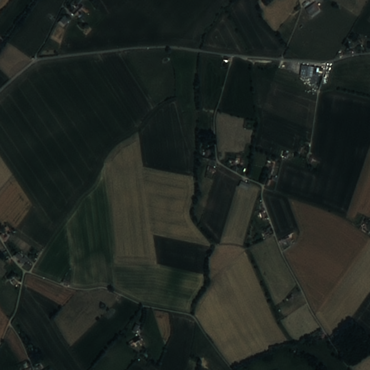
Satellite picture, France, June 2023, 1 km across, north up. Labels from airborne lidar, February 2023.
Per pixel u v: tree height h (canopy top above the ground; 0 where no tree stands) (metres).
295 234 0
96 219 0
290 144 0
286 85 0
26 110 0
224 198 0
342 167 0
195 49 0
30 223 0
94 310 0
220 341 0
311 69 0
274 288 0
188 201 0
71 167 0
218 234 0
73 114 0
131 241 0
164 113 0
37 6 0
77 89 0
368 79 0
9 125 0
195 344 0
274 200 0
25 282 0
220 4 0
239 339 0
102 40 0
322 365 14
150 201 0
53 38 0
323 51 0
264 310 0
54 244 0
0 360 0
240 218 0
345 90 8
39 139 0
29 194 0
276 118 0
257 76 0
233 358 0
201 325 0
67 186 0
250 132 0
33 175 0
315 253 0
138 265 0
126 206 0
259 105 0
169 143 0
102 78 0
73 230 0
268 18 0
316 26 0
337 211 0
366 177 0
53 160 0
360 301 0
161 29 0
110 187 0
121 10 0
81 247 0
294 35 0
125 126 0
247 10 0
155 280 0
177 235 0
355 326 21
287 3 0
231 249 0
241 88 0
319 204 0
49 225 0
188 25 0
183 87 0
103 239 0
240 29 0
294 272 0
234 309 0
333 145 0
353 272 0
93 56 0
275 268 0
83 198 0
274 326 0
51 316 13
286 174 0
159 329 0
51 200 0
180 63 0
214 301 0
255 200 0
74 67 0
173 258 0
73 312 0
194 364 0
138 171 0
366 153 0
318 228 0
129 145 0
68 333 0
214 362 0
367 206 0
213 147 16
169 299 0
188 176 0
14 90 0
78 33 0
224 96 0
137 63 0
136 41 0
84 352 0
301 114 0
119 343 0
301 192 0
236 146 0
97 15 0
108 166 0
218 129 0
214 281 0
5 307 0
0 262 0
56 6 0
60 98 0
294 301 0
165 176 0
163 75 0
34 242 0
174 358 0
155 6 0
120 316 0
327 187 0
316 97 0
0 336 0
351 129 0
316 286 0
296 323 0
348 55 0
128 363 0
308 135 0
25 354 0
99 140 0
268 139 0
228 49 0
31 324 0
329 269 0
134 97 0
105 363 0
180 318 0
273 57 0
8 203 0
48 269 0
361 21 0
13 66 0
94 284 0
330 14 0
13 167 0
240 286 0
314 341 6
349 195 0
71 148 0
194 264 0
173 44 0
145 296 0
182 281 0
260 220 0
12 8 0
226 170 0
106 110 0
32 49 0
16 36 0
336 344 16
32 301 0
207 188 0
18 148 0
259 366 0
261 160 0
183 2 0
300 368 0
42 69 0
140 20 0
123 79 0
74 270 0
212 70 0
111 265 0
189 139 0
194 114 0
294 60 0
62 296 0
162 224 0
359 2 0
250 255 0
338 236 0
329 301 0
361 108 0
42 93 0
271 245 0
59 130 0
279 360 0
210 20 0
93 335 0
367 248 0
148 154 0
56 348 0
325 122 0
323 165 0
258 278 0
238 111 0
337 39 0
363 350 14
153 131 0
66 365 0
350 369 8
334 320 0
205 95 0
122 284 0
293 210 0
